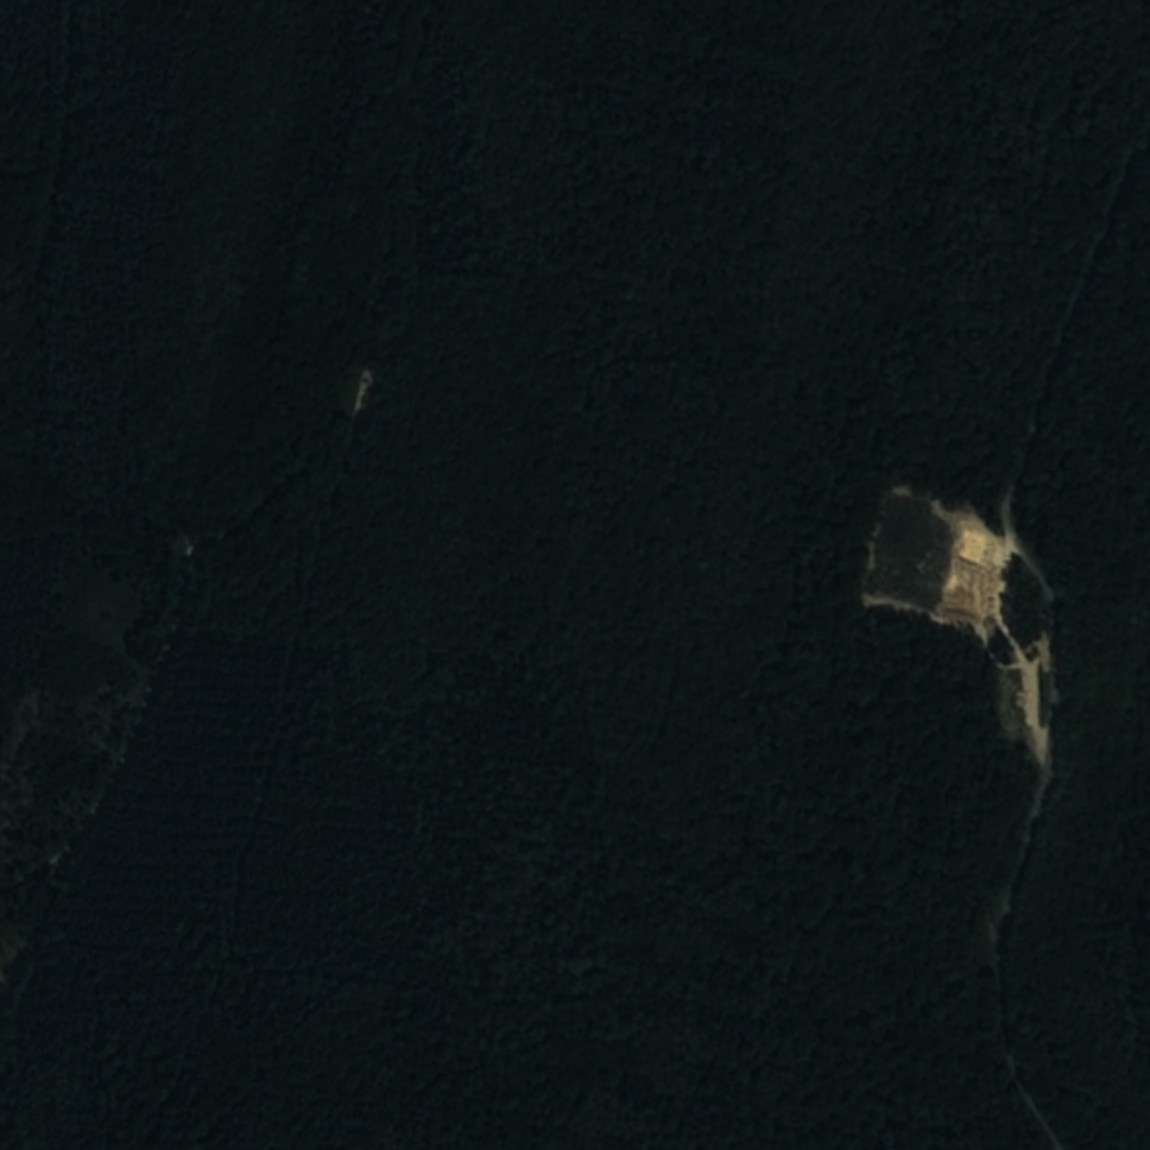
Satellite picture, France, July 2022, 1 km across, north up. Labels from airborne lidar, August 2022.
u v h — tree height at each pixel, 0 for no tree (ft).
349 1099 59
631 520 64
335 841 40
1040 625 52
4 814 45
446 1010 58
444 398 51
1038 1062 73
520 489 69
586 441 59
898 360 76
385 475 66
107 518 77
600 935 61
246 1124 70
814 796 72
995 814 63
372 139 75
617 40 67
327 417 67
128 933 56
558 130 48
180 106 66
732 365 71
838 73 65
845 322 82
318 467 76
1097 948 72
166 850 55
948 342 74
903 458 64
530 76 49
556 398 68
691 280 70
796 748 69
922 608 0
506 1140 71
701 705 73
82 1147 64
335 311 62
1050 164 94
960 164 81
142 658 52
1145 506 54
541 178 54
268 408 66
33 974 34
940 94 85
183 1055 46
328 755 30
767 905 73
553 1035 65
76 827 31
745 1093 66
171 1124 38
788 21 59
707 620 71
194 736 56
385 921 47
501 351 53
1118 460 56
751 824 90
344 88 58
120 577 48
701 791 91
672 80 74
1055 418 53
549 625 60
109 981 41
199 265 59
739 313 56
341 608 61
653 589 72
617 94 49
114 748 60
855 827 72
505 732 31
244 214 44
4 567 76
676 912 69
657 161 79
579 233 58
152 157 62
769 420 65
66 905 56
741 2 64
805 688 64
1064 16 83
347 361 69
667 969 47
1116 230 69
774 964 66
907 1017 64
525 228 51
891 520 0
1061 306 60
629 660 67
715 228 64
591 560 64
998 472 71
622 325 59
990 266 69
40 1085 54
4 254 86
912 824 68
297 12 58
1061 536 66
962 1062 75
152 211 63
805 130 71
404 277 59
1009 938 57
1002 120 65
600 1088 62
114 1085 71
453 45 28
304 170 55
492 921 69
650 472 65
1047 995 59
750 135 65
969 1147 70
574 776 38
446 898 31
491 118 47
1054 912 70
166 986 57
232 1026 58
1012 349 59
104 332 41
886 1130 79
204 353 47
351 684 56
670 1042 63
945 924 66
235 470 78
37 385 58
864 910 77
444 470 58
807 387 82
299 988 57
